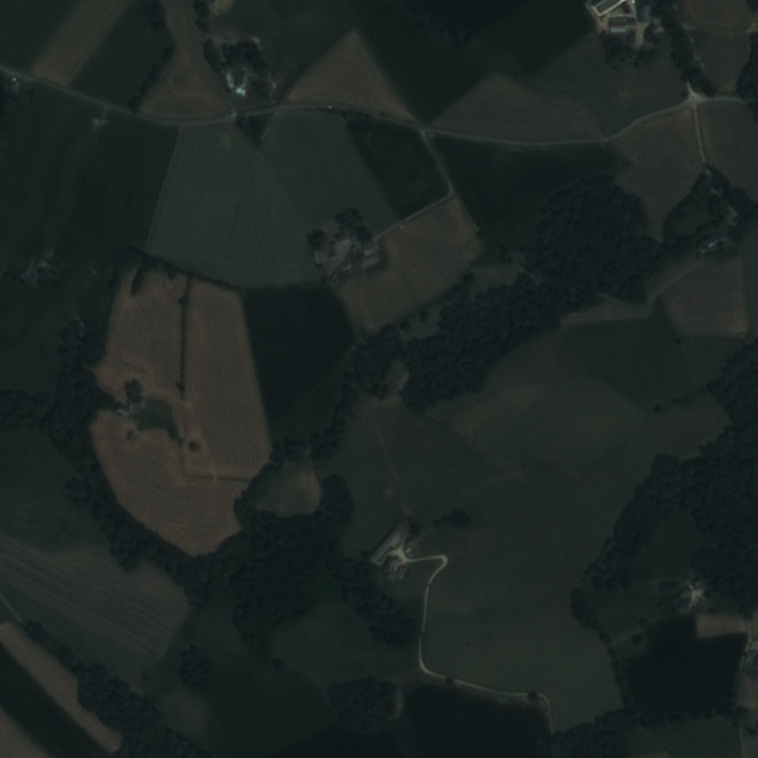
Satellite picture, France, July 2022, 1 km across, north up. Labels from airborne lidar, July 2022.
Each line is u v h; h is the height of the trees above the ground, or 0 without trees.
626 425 0
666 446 0
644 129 0
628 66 0
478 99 0
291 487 0
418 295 0
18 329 0
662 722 16
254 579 14
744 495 35
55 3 0
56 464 0
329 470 0
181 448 0
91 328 13
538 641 0
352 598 21
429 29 29
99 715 11
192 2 0
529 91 0
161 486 0
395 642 14
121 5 0
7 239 0
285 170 0
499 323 27
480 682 0
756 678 0
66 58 0
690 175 0
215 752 0
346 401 11
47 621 0
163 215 0
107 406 15
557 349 0
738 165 0
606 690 0
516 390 0
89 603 0
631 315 0
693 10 0
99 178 0
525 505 0
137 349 0
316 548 20
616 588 18
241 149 0
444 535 0
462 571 0
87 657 0
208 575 18
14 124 0
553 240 23
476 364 23
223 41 0
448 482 0
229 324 0
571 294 28
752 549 34
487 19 26
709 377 0
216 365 0
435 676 0
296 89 0
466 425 0
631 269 23
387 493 0
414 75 0
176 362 0
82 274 0
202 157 0
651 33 13
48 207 0
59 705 0
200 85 0
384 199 0
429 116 0
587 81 0
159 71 15
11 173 0
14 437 0
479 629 0
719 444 16
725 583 32
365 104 0
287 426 0
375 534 0
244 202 0
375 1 0
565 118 0
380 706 19
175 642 0
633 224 24
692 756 0
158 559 21
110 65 0
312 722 0
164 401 0
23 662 0
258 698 0
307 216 0
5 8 0
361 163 0
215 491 0
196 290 0
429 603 0
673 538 0
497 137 0
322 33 0
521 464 0
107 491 18
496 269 0
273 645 0
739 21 0
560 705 0
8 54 0
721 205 20
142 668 0
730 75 0
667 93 0
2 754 0
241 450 0
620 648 0
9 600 0
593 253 26
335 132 0
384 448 0
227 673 0
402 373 0
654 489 23
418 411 20
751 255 0
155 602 0
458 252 0
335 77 0
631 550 31
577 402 0
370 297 0
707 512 20
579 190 21
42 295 0
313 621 0
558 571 0
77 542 0
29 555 0
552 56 0
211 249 0
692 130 0
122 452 0
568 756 14
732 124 0
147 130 0
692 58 17
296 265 0
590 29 0
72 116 0
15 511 0
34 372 0
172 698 0
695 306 0
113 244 0
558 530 0
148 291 0
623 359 0
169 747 15
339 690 22
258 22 0
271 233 0
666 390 0
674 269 0
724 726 0
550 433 0
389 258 0
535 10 0
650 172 0
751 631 0
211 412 0
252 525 19
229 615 0
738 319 0
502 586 0
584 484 0
